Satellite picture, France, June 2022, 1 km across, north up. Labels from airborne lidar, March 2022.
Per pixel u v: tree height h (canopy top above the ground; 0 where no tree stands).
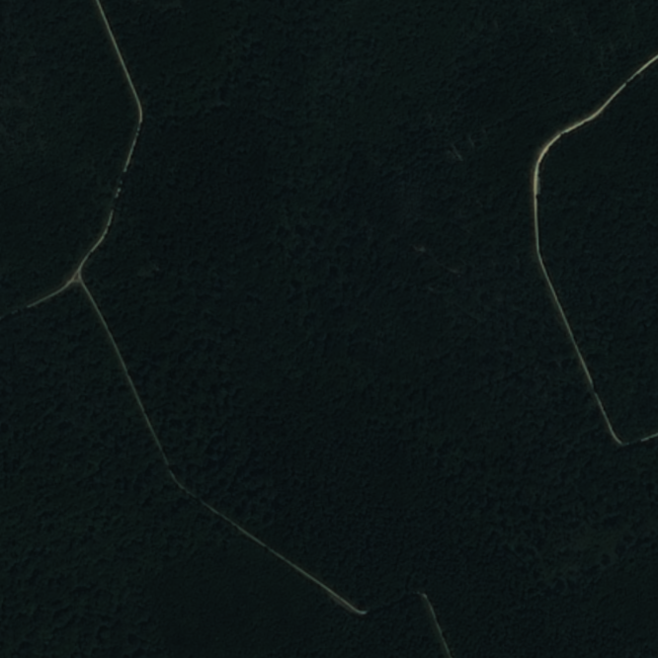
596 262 16
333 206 20
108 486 24
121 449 26
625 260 20
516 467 19
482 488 20
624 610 7
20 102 0
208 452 25
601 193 14
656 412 23
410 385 16
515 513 31
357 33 14
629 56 14
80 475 9
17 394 22
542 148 0
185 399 28
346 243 16
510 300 18
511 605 24
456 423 15
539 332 21
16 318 13
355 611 0
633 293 20
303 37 15
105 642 24
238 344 25
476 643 16
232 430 21
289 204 23
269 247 29
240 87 21
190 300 20
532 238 14
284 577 9
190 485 27
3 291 19
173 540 23
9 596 21
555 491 19
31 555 16
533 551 0
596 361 25
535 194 0
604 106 0
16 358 20
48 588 27
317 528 23
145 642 26
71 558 17
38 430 20
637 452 18
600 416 23
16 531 12
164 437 20
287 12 15
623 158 6
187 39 7
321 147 15
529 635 0
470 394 14
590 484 25
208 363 33
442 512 22
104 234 0
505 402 16
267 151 21
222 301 31
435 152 14
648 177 10
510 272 17
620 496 23
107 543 21
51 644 21
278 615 9
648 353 26
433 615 0
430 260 16
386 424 15
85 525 18
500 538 21
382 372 15
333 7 19
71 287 0
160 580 11
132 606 22
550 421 25
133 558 22
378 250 14
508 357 17
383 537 24
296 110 18
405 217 14
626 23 7
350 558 19
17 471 19
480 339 17
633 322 23
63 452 21
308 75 14
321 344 26
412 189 13
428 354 13
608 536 0
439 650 15
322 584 0
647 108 8
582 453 20
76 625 22
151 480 25
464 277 14
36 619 19
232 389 33
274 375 24
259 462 26
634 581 7
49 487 20
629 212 14
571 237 15
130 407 19
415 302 15
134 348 21
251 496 30
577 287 16
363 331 15
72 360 17
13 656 22
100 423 24
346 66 21
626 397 23
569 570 0
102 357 21
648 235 14
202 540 19
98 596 24
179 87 7
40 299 0
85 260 0
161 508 8
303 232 28
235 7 19
